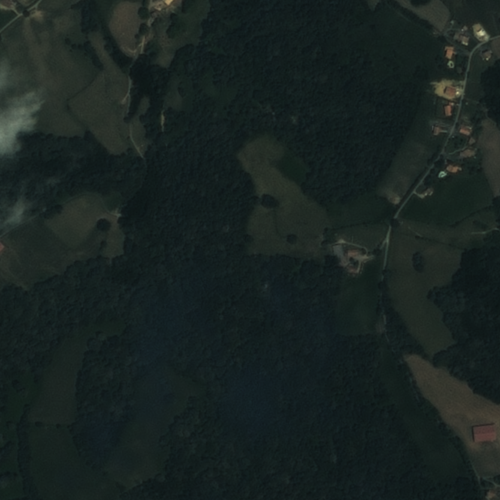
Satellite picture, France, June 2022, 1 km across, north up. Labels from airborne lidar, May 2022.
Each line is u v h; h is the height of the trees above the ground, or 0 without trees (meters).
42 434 0
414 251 0
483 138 0
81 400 8
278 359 8
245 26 19
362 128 11
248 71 7
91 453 12
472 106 0
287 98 14
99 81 0
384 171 10
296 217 0
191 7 16
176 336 24
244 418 22
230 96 0
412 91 6
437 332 0
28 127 0
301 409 26
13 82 0
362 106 23
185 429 20
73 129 0
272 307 21
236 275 18
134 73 15
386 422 6
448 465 0
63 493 0
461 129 0
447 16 0
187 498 27
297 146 9
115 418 16
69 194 7
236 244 10
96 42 0
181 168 9
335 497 21
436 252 0
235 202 8
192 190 8
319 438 12
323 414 19
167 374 0
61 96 0
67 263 0
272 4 9
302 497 14
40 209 8
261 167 0
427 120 0
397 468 9
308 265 18
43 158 26
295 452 12
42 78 0
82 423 12
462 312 12
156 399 0
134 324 22
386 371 0
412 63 0
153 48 10
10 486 0
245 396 20
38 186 16
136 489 10
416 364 0
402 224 0
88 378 21
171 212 14
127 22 0
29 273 0
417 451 7
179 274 10
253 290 22
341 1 17
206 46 24
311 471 18
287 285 22
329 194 10
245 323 20
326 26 7
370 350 8
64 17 0
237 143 10
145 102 0
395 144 9
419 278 0
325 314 13
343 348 21
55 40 0
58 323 13
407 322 0
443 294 17
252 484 27
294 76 17
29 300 20
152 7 0
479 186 0
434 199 0
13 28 0
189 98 0
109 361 27
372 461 11
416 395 11
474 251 11
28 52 0
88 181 14
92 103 0
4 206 16
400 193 0
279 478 29
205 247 15
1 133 0
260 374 18
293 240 16
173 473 14
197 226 10
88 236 0
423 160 0
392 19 0
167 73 14
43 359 11
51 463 0
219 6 25
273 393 25
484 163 0
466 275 16
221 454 22
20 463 11
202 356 24
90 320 17
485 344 19
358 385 23
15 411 0
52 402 0
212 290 18
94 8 14
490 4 0
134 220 17
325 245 8
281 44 13
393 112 10
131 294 22
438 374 0
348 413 14
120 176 15
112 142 0
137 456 0
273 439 19
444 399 0
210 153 10
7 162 20
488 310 19
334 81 7
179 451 23
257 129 12
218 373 30
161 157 16
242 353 24
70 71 0
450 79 0
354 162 22
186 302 24
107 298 20
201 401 9
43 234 0
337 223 0
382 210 0
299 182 0
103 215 0
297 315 16
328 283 17
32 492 9
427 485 15
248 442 26
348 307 0
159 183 18
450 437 18
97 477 0
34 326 21
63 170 10
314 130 18
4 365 21
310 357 21
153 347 22
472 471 13
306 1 19
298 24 7
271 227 0
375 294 0
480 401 0
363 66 17
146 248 18
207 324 26
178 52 10
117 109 0
